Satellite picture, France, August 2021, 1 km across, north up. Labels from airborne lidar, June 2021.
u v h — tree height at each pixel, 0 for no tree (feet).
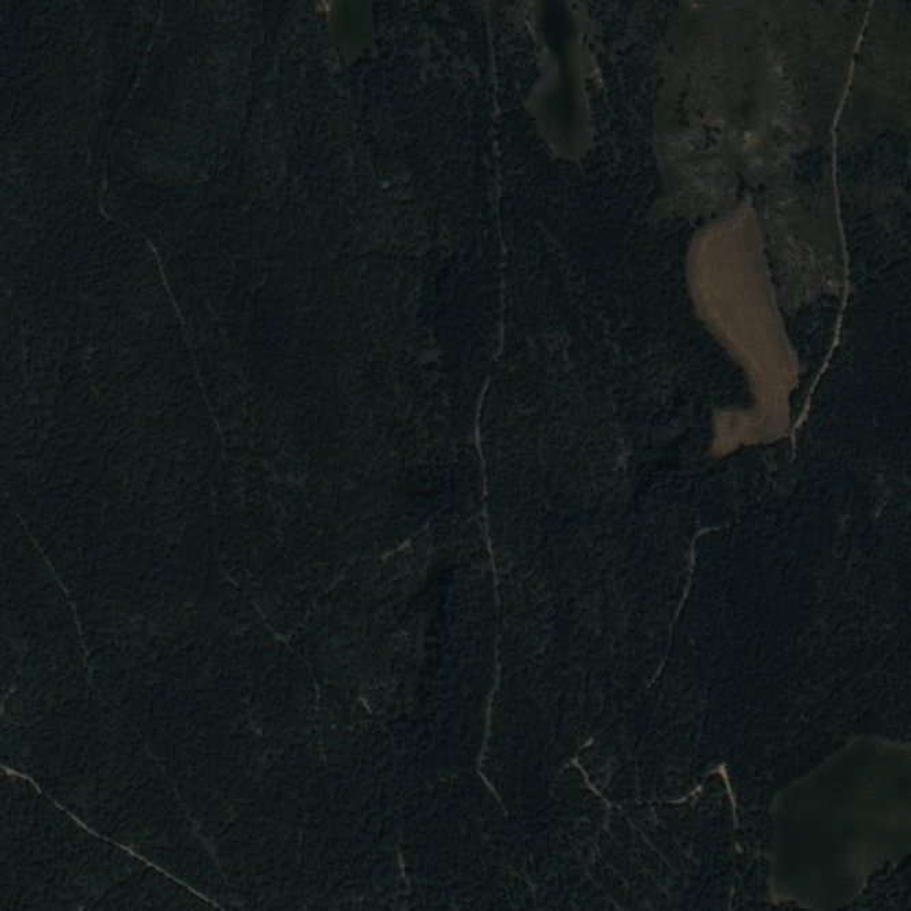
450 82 28
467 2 19
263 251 25
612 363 27
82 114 22
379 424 22
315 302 23
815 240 0
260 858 18
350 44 0
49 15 20
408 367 22
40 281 19
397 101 31
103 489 28
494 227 19
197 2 18
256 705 27
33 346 19
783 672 26
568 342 24
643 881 39
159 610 18
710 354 33
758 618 25
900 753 0
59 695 20
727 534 22
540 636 31
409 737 33
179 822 27
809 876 0
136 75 27
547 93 0
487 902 26
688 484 43
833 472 27
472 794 31
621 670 22
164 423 24
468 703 26
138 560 25
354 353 22
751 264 0
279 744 18
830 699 20
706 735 29
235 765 21
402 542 23
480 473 23
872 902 24
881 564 22
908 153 28
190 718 23
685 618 32
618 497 29
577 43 0
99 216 24
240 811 27
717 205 0
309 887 38
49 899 23
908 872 38
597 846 31
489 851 48
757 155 0
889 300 24
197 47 19
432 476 25
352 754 27
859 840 0
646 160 22
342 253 21
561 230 31
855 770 0
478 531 23
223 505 21
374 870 42
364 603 22
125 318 21
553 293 37
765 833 34
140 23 22
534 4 0
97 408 24
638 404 39
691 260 0
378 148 20
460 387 28
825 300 26
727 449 0
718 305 0
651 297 30
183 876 22
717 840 31
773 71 0
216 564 35
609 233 27
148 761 21
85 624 21
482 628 25
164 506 19
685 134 0
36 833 20
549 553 30
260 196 23
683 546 24
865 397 25
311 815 35
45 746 26
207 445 21
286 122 26
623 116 25
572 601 22
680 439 54
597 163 27
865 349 22
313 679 28
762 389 0
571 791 19
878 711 35
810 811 0
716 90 0
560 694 30
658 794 26
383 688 22
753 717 25
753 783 25
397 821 22
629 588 33
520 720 23
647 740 24
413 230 20
